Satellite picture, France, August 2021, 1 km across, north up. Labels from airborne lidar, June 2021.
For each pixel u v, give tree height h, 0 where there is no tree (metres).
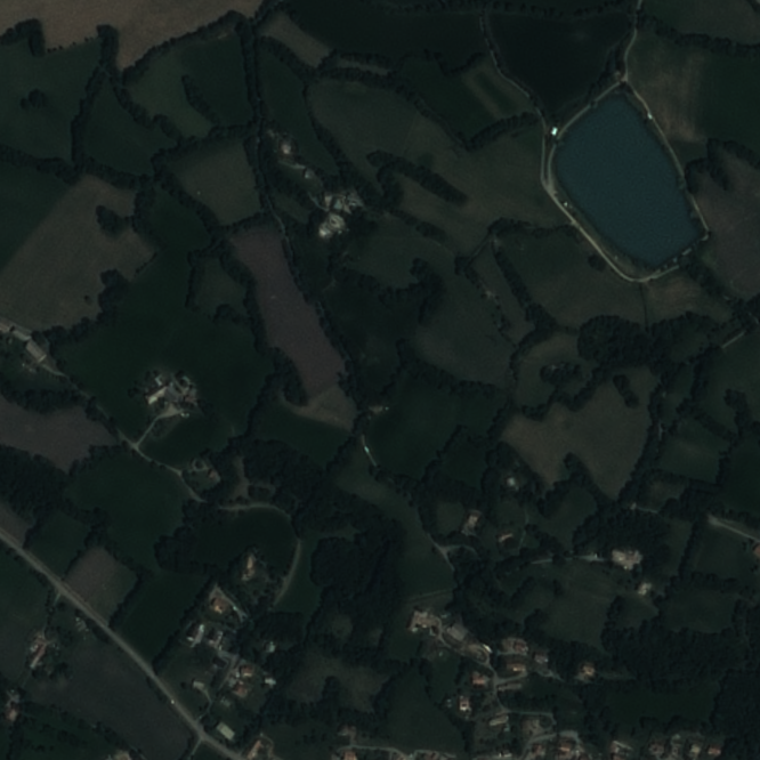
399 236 0
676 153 0
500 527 7
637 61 0
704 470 0
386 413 0
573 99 0
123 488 0
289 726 18
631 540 19
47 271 0
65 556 0
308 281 10
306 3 0
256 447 19
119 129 0
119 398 0
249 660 16
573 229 8
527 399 0
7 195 0
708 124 0
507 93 0
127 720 0
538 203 0
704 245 8
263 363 0
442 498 18
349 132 0
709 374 16
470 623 19
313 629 13
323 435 0
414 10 12
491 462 17
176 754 0
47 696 0
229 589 10
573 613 0
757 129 0
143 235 19
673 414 0
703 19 0
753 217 0
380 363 0
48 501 15
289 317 0
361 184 19
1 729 10
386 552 9
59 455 0
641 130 0
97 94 12
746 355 0
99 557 0
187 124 0
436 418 0
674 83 0
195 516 15
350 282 14
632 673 10
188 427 0
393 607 14
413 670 7
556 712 14
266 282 0
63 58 0
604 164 0
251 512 0
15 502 13
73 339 15
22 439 0
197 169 0
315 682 0
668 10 0
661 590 0
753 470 0
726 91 0
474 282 9
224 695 6
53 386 0
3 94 0
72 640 7
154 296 0
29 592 0
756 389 0
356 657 16
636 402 11
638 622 0
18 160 16
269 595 9
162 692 9
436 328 0
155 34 0
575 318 0
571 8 0
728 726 18
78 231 0
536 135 0
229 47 0
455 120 0
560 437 0
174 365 0
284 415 0
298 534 11
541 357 0
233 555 0
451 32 0
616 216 0
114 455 15
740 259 0
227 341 0
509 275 14
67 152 0
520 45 0
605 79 10
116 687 0
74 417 0
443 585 0
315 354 0
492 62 0
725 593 13
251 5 0
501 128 13
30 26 13
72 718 11
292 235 10
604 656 15
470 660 9
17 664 0
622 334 20
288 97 0
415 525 0
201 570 14
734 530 0
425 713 0
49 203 0
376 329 0
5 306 0
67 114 0
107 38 16
